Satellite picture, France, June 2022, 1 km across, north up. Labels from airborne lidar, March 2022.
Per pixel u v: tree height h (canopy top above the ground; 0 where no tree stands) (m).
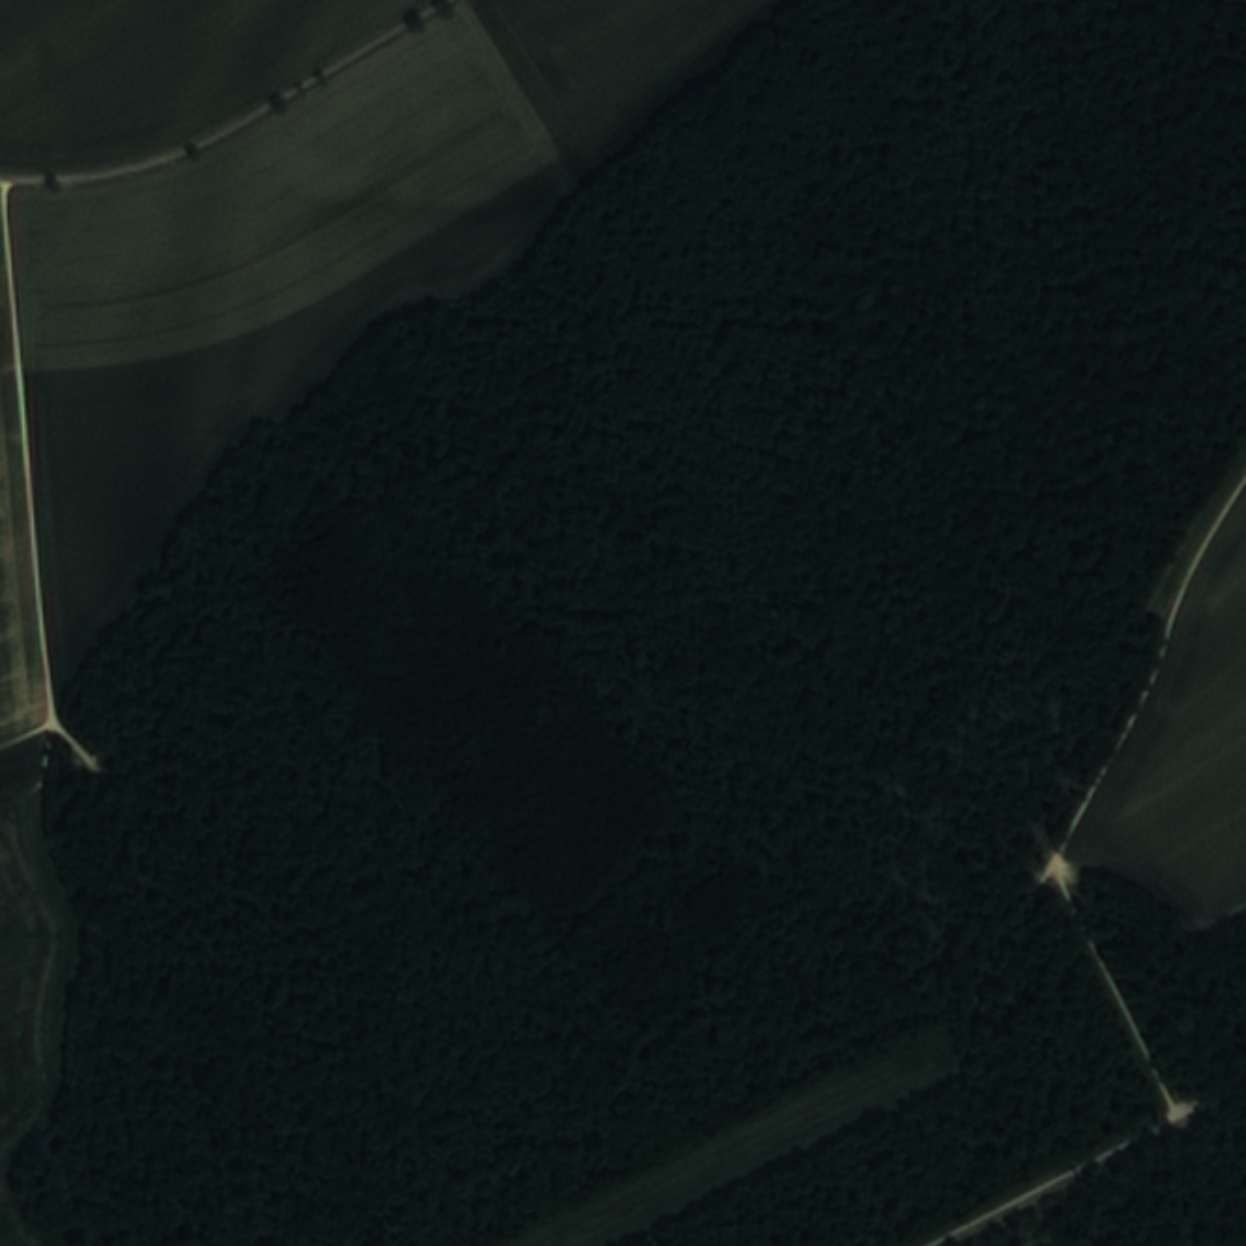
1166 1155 22
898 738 20
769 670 24
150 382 0
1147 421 18
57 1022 0
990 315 23
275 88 0
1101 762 14
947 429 24
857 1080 0
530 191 0
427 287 0
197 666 20
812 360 20
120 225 0
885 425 21
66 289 0
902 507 25
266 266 0
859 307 17
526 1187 24
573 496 8
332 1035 16
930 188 23
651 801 10
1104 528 18
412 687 13
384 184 0
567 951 25
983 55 19
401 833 18
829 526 19
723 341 21
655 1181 0
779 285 16
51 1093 0
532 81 0
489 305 13
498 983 25
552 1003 26
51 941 0
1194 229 14
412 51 0
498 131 0
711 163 10
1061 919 15
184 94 0
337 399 15
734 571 20
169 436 0
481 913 17
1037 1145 19
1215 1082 16
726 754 20
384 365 19
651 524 20
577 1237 0
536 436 23
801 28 7
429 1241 17
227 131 0
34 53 0
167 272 0
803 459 21
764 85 12
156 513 0
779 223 16
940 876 11
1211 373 18
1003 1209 0
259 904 0
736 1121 16
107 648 19
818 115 13
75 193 0
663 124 18
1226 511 0
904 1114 15
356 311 0
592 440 24
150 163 0
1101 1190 24
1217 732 0
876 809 9
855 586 13
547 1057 21
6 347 0
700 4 0
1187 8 20
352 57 0
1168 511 15
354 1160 20
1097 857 0
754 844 22
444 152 0
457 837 21
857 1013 20
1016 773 21
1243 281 13
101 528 0
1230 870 0
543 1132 21
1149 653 13
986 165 20
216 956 0
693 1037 23
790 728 21
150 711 0
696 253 14
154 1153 19
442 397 22
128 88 0
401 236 0
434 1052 25
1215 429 20
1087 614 7
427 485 21
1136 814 0
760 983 21
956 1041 14
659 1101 22
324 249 0
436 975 19
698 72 0
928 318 17
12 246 0
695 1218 13
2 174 0
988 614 21
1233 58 18
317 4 0
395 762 20
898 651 18
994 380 24
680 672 21
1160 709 0
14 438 0
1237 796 0
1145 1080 14
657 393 20
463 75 0
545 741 9
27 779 0
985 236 18
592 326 19
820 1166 16
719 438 19
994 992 20
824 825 17
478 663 9
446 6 17
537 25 0
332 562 0
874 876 12
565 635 21
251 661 25
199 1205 24
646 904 7
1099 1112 17
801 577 18
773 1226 15
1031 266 18
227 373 0
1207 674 0
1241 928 20
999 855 16
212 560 0
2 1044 0
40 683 0
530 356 24
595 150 0
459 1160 19
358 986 23
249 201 0
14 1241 0
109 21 0
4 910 0
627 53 0
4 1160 0
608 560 14
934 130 19
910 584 19
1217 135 20
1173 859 0
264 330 0
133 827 0
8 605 0
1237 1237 20
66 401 0
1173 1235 22
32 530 0
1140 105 20
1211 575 0
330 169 0
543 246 14
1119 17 17
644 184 18
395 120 0
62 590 0
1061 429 19
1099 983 12
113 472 0
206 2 0
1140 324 20
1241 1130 17
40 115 0
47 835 13
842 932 18
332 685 22
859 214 14
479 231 0
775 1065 18
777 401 18
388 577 11
